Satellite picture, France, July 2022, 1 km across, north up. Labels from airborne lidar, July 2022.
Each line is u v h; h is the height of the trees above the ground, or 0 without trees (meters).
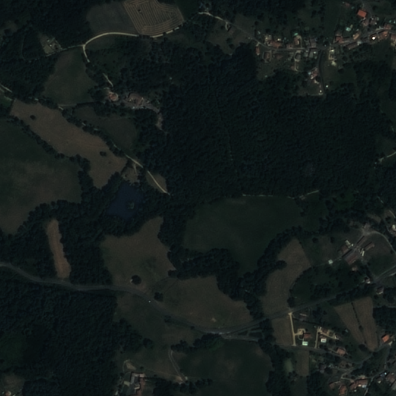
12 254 26
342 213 20
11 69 15
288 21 10
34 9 15
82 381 23
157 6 0
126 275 0
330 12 0
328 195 19
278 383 19
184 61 15
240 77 26
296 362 6
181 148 7
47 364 25
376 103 15
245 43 7
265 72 0
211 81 18
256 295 8
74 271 12
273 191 20
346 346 9
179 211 23
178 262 21
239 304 0
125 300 0
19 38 14
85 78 0
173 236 21
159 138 21
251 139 19
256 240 0
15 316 21
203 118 16
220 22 0
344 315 0
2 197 0
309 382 14
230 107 17
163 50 15
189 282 0
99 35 0
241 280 17
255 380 0
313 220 0
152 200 21
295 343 0
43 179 0
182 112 18
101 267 10
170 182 22
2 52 18
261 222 0
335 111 22
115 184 21
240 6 24
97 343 16
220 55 22
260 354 0
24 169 0
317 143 27
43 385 30
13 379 0
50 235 0
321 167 19
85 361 16
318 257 0
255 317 17
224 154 13
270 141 20
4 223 0
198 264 25
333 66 0
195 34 11
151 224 0
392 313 19
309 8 0
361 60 6
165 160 19
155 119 16
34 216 24
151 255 0
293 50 0
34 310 38
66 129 0
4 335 24
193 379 0
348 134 21
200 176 27
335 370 0
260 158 19
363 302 0
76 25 11
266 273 13
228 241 0
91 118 0
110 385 9
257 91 11
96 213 27
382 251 0
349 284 0
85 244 25
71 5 21
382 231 13
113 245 0
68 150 0
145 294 0
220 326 0
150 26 0
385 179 24
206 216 0
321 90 0
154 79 12
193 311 0
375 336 0
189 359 0
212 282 0
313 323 8
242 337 0
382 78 7
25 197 0
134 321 0
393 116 0
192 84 14
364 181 6
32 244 27
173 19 0
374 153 20
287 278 0
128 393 0
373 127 24
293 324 0
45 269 25
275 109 7
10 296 24
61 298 6
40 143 19
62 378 20
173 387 17
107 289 9
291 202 0
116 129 0
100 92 14
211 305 0
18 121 19
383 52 0
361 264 0
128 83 17
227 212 0
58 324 28
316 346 0
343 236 0
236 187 25
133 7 0
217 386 0
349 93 11
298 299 0
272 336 13
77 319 18
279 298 0
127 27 0
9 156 0
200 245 0
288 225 0
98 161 0
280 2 31
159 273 0
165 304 0
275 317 0
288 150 20
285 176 20
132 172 0
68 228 26
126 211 0
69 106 0
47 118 0
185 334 0
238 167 23
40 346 8
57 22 15
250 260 0
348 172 21
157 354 0
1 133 0
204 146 23
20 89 13
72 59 0
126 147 0
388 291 14
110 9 0
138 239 0
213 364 0
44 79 19
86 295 17
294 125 25
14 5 19
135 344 19
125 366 0
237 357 0
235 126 12
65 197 0
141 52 9
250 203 0
